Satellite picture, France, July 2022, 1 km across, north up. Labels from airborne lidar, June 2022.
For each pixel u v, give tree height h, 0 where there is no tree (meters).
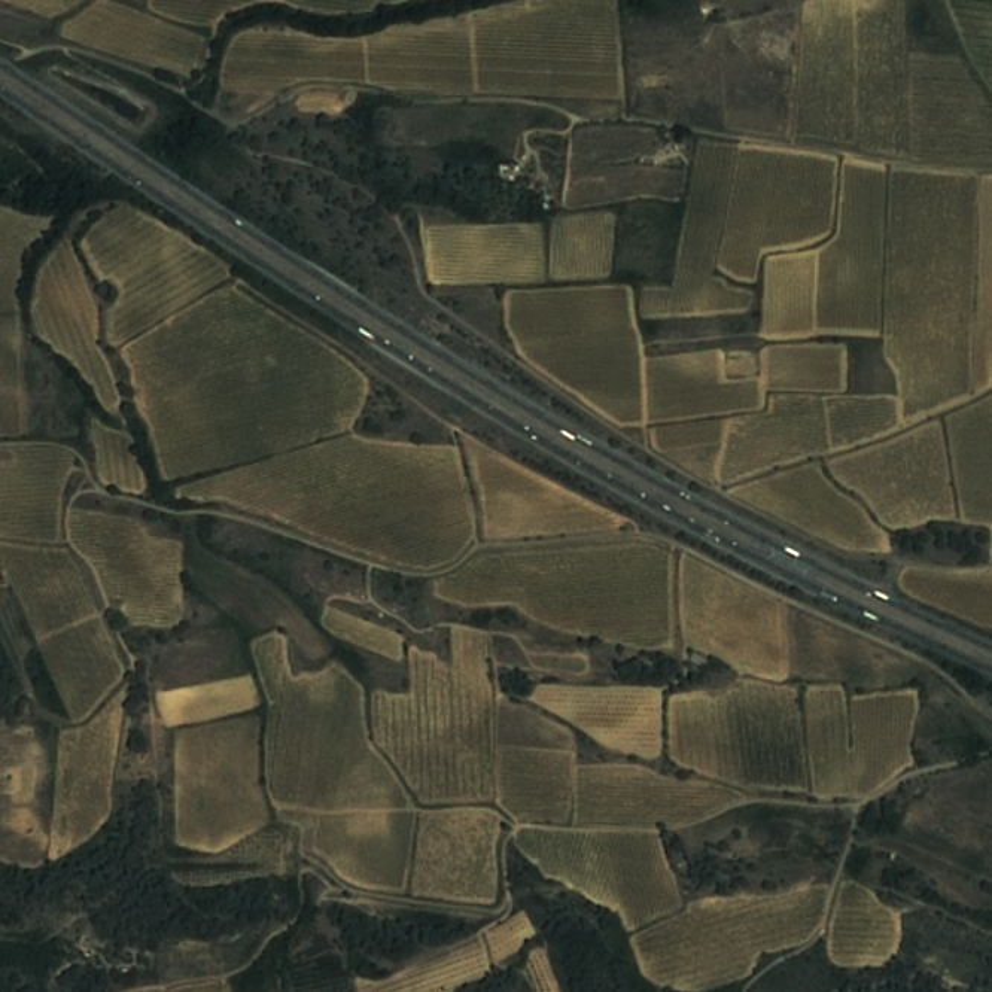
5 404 0
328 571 6
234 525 0
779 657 0
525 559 0
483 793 0
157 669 0
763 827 0
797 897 0
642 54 0
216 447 0
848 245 0
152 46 0
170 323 0
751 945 0
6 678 18
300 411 0
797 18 0
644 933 0
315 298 0
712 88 0
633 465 0
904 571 0
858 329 0
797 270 0
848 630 0
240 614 0
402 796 0
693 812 0
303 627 0
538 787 0
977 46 0
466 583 0
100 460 0
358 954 9
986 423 0
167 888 12
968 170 0
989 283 0
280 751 0
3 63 0
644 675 10
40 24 0
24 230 0
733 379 0
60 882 11
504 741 0
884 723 0
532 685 10
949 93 0
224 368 0
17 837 0
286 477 0
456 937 14
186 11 0
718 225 0
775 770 0
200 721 0
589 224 0
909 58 0
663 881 0
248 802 0
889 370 0
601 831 0
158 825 8
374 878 0
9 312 0
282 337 0
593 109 0
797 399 0
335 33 12
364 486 0
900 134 0
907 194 0
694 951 0
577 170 0
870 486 0
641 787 0
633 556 0
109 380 0
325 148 8
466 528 0
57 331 0
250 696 0
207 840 0
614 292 0
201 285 0
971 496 0
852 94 0
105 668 0
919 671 0
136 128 0
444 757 0
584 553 0
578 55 0
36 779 0
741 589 0
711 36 0
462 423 0
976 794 0
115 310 0
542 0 0
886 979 12
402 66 0
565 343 0
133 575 0
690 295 0
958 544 9
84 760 0
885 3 0
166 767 0
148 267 0
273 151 0
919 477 0
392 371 0
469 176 15
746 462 0
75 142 0
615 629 0
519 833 0
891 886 9
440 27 0
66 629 0
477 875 0
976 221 0
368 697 0
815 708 0
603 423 0
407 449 0
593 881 0
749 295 0
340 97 0
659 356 0
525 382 7
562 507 0
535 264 0
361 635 0
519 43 0
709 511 0
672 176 0
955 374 0
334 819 0
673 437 0
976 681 6
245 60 0
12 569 0
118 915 9
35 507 0
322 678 0
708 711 0
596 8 0
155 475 7
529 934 0
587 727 0
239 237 0
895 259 0
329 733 0
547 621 0
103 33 0
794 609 0
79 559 0
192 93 13
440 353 0
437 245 0
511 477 0
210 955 0
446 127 0
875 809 10
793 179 0
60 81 0
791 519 0
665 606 0
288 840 0
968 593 0
